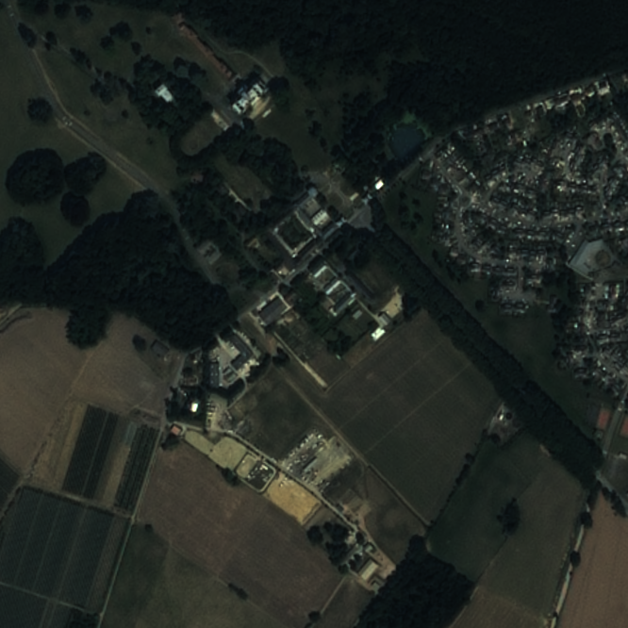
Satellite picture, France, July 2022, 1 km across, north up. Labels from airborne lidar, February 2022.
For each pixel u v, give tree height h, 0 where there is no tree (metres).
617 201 12
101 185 0
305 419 0
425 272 27
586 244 0
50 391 9
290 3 23
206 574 0
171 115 24
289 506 0
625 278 0
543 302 0
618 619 0
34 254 24
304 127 0
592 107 12
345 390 0
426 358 0
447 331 26
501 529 0
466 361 0
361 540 18
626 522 0
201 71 24
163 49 0
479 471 0
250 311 0
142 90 23
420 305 29
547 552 0
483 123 6
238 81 0
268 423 0
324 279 0
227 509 0
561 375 0
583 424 0
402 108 13
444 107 27
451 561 0
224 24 14
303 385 0
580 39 22
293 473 0
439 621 18
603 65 19
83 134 0
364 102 12
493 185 0
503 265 0
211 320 19
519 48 18
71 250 14
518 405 31
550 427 28
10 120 0
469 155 7
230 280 0
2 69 0
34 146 0
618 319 0
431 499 0
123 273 27
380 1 25
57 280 25
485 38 18
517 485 0
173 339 21
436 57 22
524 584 0
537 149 11
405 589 21
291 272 0
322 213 0
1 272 26
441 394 0
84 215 20
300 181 19
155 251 24
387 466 0
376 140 34
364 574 0
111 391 15
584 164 6
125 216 16
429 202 0
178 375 0
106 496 0
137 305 19
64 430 0
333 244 7
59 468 0
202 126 0
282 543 0
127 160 0
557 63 18
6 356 15
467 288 0
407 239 0
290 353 0
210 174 18
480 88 18
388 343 0
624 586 0
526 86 13
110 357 11
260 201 0
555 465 0
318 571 0
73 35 0
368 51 17
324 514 0
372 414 0
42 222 0
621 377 0
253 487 0
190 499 0
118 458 0
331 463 0
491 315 0
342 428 0
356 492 0
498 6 20
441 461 0
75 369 10
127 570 0
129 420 0
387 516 0
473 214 6
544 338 0
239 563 0
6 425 8
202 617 0
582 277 0
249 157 28
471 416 0
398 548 0
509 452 0
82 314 21
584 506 0
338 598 0
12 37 0
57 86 0
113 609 0
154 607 0
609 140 10
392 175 20
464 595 11
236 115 0
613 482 0
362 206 0
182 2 12
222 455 0
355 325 0
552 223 0
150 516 0
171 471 0
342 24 30
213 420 0
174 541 0
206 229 19
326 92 0
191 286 24
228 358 0
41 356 9
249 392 0
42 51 0
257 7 29
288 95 26
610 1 23
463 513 0
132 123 0
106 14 0
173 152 9
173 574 0
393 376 0
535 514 0
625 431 0
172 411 16
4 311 0
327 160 0
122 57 0
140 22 0
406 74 7
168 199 0
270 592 0
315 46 25
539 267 0
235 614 0
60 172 21
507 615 0
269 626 0
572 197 8
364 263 14
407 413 0
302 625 0
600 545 0
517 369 33
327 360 0
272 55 0
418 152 15
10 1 0
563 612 0
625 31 22
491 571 0
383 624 15
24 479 0
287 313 0
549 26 22
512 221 0
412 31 20
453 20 18
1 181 0
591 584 0
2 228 0
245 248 7
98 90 17
